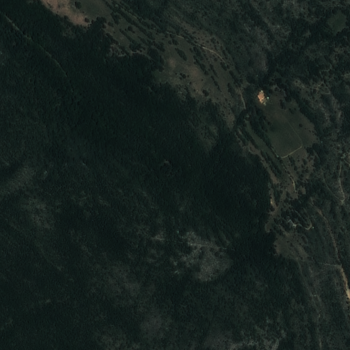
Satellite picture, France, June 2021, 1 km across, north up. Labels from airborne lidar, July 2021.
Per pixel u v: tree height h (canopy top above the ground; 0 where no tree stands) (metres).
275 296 11
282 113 0
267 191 6
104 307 11
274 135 0
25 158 8
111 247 9
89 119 21
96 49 13
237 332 8
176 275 7
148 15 7
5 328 8
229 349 0
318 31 11
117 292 7
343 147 7
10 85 12
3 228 8
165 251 6
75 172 7
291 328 6
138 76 16
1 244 8
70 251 10
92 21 9
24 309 7
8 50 8
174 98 10
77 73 13
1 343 12
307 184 9
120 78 23
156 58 11
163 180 16
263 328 6
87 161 12
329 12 11
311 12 9
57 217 11
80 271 6
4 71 9
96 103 22
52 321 10
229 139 8
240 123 14
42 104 14
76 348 9
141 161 15
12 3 15
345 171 8
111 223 9
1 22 16
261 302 7
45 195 7
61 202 8
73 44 16
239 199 7
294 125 0
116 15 9
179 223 12
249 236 13
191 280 12
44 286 9
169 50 0
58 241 7
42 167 7
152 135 12
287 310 8
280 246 0
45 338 9
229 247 12
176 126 10
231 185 15
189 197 11
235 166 12
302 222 11
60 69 15
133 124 10
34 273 10
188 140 11
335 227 7
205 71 7
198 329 6
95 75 11
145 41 7
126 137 10
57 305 9
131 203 7
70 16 0
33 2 7
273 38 6
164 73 0
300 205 10
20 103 6
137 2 11
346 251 7
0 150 6
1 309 8
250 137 11
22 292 8
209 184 13
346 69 6
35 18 12
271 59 9
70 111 20
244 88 8
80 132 15
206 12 8
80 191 7
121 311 8
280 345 8
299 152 0
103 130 20
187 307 8
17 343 9
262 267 15
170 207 13
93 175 8
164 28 6
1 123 7
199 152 9
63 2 0
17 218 7
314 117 8
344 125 9
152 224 10
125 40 0
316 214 7
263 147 0
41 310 12
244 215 14
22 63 11
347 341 6
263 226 9
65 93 16
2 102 9
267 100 0
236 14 7
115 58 9
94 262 8
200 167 11
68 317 8
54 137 10
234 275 6
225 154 20
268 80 9
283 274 12
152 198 10
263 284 8
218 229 11
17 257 9
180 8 7
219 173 14
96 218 12
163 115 8
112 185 7
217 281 10
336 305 8
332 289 7
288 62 12
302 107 12
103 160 10
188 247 10
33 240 6
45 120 12
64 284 8
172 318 7
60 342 10
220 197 17
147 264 9
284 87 10
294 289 6
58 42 10
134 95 25
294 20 9
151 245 10
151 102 16
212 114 8
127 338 7
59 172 8
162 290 8
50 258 7
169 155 15
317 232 8
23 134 8
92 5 0
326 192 6
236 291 10
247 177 8
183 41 0
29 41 21
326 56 9
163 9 6
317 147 8
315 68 13
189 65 0
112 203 8
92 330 9
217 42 7
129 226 7
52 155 11
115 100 14
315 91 8
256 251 16
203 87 0
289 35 7
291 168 0
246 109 9
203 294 9
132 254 8
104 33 7
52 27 17
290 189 0
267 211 8
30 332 9
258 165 14
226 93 0
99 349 9
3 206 8
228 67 6
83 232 8
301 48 8
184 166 15
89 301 9
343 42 10
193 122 6
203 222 8
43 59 20
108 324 8
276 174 8
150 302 8
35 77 13
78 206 10
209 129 8
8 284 10
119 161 14
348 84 8
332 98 0
